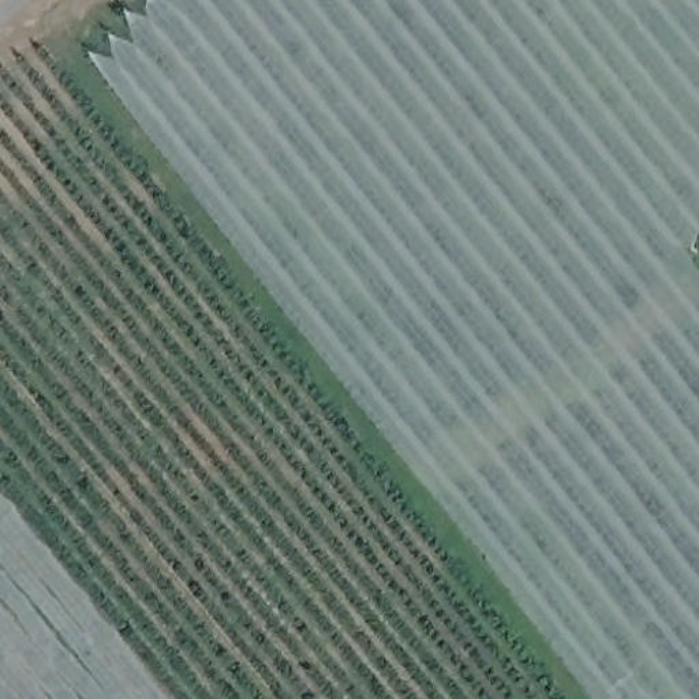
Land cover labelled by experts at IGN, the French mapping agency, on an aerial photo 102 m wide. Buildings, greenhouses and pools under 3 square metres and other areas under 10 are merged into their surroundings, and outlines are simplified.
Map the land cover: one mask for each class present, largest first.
<instances>
[{"label":"deciduous trees","instance_id":"1","mask_svg":"<svg viewBox=\"0 0 699 699\"><path fill-rule=\"evenodd\" d=\"M131 38L126 41L109 35L112 55L101 57L90 52V63L98 68V74L106 79V85L115 90V96L123 101L131 117L145 128V134L169 161V167L183 177V183L199 199L208 216L232 240L243 262L268 287L270 298L284 309L287 319L311 341V347L319 352L328 369L344 382L352 399L366 410V415L374 420L382 437L407 461L412 475L429 489L440 508L453 519L461 535L470 538L481 554H486V562L494 571V576L502 582V587L511 593V598L519 603L527 620L541 631V636L552 644V650L562 658V664L579 680L590 699H699V0H145V14L126 11ZM30 46L52 68L60 85L71 93V98L76 101L74 109H66L60 104V98L49 90V85L19 49L14 52V60L46 98V104L55 109L60 123L52 126L44 112H38L27 90L8 74V68L0 66V109L22 131V137L30 142V147L46 164V169L66 186V191L85 210V216L115 246L104 254L90 240V235L63 208V202L38 175V169L0 128V145L14 156V161L27 172V177L38 188V194L30 197L19 177L0 158V699H565L554 688L549 661H535L524 655L519 639L511 636L508 625L502 623V614L489 609L483 590L472 587V576L464 568V560L448 557L440 549L437 538L420 522V513L407 505L401 486L385 478V467H374V456L350 431L347 418H341V412L328 401L317 407L322 390L317 382L306 380V360L295 358L284 350L281 341H276V333L248 306L243 284H238L232 276V265L224 257H213L205 240L194 229H188L183 213L172 205L169 194H164L153 183L147 156L137 153L128 139H120L115 126L96 128V123H101V115L93 109V101L82 90H76L68 71L60 68V63L49 55V49L41 41H33ZM14 96L41 123V128L46 131L44 139H38L16 115V109L11 106Z\"/></svg>","mask_w":699,"mask_h":699},{"label":"herbaceous vegetation","instance_id":"2","mask_svg":"<svg viewBox=\"0 0 699 699\"><path fill-rule=\"evenodd\" d=\"M126 11L145 14V0H0V66L8 68V74L27 90L38 112H44L52 126L60 123L55 109L46 104V98L14 60V52L19 49L49 85V90L60 98V104L66 109H74L76 101L71 98V93L60 85L52 68L30 46L33 41H41L49 49V55L60 63V68L68 71L76 90H82L93 101V109L101 115V123H96V128L115 126L120 139H128L137 153L147 156L153 183L164 194H169L172 205L183 213L188 229H194L205 240L213 257H224L232 265V276L238 284H243L248 306L276 333V341H281L284 350L295 358L306 360V380L317 382L322 390L317 407L328 401L341 412V418H347L350 431L374 456V467H385V478L401 486L407 505L420 513V522L437 538L440 549L448 557L464 560V568L472 576V587L483 590L489 609L502 614V623L508 625L511 636L519 639L524 655L535 661H549L554 688L565 699H590L579 680L562 664V658L552 650V644L541 636V631L527 620L519 603L511 598V593L502 587V582L494 576V571L486 562V554H481L470 538L461 535L453 519L440 508L429 489L412 475L407 461L382 437L374 420L366 415V410L352 399L344 382L328 369L319 352L311 347V341L287 319L284 309L270 298L268 287L243 262L232 240L208 216L199 199L183 183V177L169 167V161L145 134V128L131 117L123 101L115 96V90L106 85V79L98 74V68L90 63V52L101 57L112 55L109 35L126 41L131 38ZM11 106L16 109V115L38 139H44L46 131L41 128V123L14 96ZM0 128L38 169V175L63 202V208L90 235V240L104 254L115 246L85 216V210L66 191V186L46 169V164L30 147V142L22 137V131L0 109ZM0 158L19 177L30 197L38 194V188L27 177V172L14 161V156L0 145Z\"/></svg>","mask_w":699,"mask_h":699}]
</instances>
